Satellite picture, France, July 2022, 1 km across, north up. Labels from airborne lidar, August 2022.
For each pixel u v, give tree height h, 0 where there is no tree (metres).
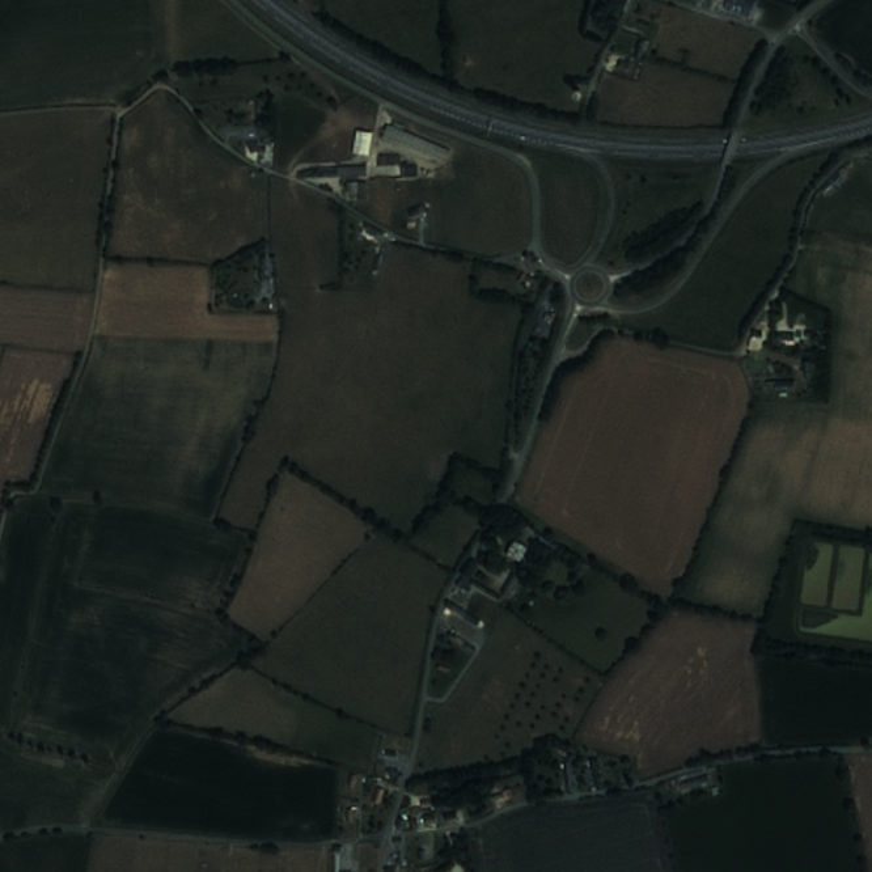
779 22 0
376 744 0
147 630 0
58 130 0
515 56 0
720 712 0
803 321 0
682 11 0
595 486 0
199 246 0
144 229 0
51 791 0
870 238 0
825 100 0
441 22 10
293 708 0
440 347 0
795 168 0
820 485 0
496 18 0
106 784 0
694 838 0
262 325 0
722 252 0
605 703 0
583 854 0
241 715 0
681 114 0
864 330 0
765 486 0
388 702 0
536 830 0
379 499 0
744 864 0
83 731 0
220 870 0
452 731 0
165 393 0
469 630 0
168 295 0
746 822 0
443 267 0
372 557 0
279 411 0
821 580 0
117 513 0
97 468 0
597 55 6
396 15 0
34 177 0
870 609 0
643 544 0
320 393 0
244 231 0
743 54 0
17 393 0
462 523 0
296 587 0
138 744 0
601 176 0
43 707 0
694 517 0
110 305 0
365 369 0
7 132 0
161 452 0
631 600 0
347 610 0
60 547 0
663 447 0
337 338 0
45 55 0
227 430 0
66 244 0
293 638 0
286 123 0
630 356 0
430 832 0
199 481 0
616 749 0
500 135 0
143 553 0
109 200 9
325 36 0
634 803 0
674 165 0
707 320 0
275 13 0
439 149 0
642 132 0
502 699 0
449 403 0
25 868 0
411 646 0
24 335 0
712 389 0
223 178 0
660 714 0
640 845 0
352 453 0
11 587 0
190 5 0
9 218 0
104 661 0
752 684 0
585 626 0
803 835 0
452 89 14
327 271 0
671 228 12
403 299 0
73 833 0
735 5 0
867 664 6
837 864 0
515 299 9
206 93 0
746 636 0
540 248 0
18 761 0
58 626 0
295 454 0
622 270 0
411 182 0
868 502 0
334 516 0
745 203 0
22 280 0
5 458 0
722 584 0
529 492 0
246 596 0
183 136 0
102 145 0
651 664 0
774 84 7
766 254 0
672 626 0
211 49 0
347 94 0
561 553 11
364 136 0
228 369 0
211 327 0
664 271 11
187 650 0
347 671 0
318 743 0
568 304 0
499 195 0
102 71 0
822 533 5
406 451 0
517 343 9
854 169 0
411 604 0
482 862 0
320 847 0
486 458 0
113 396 0
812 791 0
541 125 0
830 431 0
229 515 0
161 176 0
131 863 0
